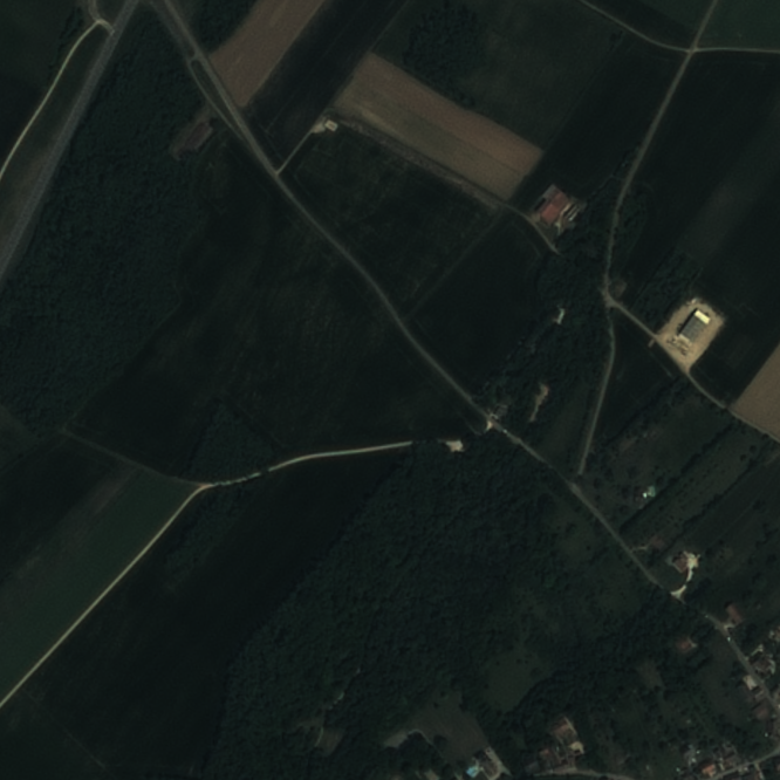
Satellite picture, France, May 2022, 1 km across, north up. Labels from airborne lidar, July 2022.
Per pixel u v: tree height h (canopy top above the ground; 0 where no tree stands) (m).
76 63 0
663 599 18
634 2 0
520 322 0
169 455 0
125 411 0
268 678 19
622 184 8
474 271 0
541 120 0
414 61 11
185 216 14
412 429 0
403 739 0
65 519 0
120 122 14
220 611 0
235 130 0
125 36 0
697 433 0
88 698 0
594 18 0
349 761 20
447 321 0
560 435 0
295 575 0
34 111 0
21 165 0
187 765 0
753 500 0
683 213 0
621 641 12
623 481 0
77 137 14
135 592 0
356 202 0
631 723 0
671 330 0
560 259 16
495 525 24
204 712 0
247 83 0
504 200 0
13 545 0
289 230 0
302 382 0
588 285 16
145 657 0
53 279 26
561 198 0
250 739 20
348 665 11
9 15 0
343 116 0
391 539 16
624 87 0
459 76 17
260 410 0
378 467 0
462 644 21
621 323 0
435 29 16
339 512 0
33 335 11
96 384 19
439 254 0
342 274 0
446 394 0
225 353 0
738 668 8
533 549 18
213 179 0
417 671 20
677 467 0
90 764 0
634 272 0
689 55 0
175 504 0
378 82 0
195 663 0
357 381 0
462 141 0
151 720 0
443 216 0
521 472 16
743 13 0
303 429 0
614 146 0
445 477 24
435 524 18
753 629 15
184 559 15
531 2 0
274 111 0
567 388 15
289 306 0
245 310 0
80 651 0
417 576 15
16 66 0
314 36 0
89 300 18
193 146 0
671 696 14
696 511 0
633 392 0
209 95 0
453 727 0
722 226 0
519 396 19
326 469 0
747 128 0
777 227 0
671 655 21
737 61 0
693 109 0
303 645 16
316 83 0
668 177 0
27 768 0
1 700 0
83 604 0
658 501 8
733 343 0
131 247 19
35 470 0
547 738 9
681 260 9
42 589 0
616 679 19
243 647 15
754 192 0
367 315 0
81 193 28
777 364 0
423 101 0
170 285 14
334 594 21
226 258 0
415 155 0
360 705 15
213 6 10
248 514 0
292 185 0
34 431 13
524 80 0
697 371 0
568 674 19
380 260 0
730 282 0
